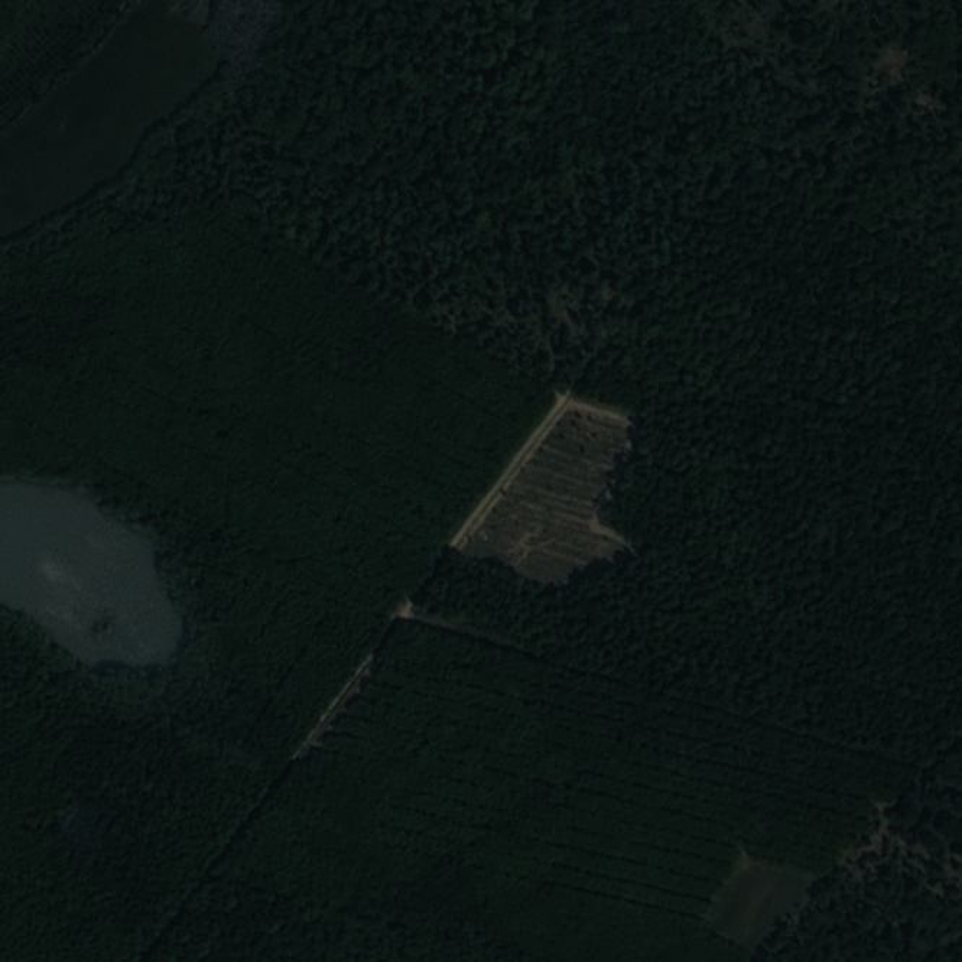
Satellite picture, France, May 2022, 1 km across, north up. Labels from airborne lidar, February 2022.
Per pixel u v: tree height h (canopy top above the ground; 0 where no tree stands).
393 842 11
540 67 30
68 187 0
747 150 30
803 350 26
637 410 18
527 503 0
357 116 28
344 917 23
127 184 14
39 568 0
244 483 15
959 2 33
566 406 0
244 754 23
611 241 27
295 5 20
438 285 33
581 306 0
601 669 18
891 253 22
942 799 29
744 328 25
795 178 28
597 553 0
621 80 22
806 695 23
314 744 6
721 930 0
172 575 21
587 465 0
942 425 22
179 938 24
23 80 0
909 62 0
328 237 30
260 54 28
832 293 26
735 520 26
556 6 31
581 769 15
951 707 25
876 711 23
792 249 25
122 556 0
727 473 29
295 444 13
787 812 16
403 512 12
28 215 0
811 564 27
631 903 6
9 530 0
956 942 0
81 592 0
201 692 20
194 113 17
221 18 14
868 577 22
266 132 20
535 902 9
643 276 29
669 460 25
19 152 0
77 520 0
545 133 26
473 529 0
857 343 26
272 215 27
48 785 20
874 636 22
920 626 22
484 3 29
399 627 14
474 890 15
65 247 17
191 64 0
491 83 34
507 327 0
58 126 0
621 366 21
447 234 36
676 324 24
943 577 26
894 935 25
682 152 29
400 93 28
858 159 13
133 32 0
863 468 22
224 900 28
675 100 30
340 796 17
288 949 26
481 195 30
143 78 0
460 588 22
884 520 27
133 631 0
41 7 0
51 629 0
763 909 0
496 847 15
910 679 22
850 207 22
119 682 25
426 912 20
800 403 25
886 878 26
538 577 0
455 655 20
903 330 24
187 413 18
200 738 22
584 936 8
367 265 30
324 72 27
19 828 19
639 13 25
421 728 15
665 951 8
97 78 0
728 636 23
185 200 18
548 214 33
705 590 25
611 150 25
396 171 27
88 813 18
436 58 22
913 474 24
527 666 19
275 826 20
